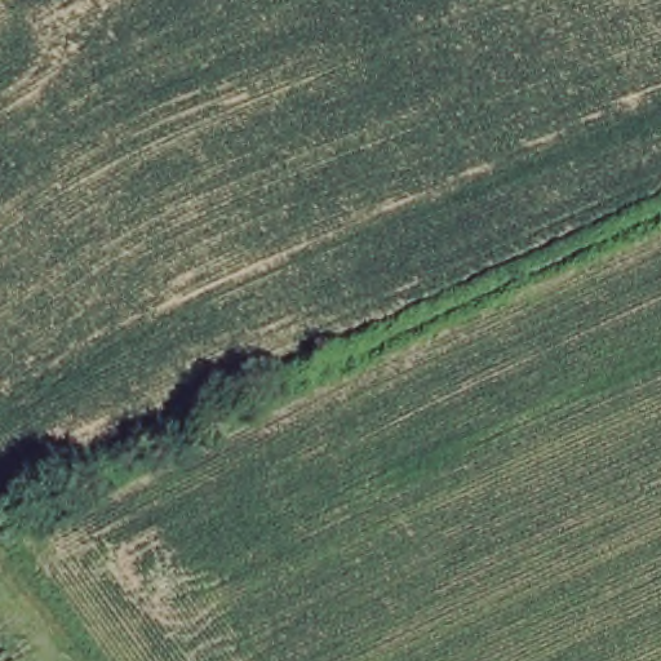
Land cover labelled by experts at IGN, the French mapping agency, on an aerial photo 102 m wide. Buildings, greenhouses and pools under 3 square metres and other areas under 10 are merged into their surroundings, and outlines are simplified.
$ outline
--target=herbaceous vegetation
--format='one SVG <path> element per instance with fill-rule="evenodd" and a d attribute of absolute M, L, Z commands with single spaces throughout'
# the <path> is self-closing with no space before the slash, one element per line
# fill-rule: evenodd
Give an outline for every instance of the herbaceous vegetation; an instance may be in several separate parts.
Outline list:
<path fill-rule="evenodd" d="M 59 584 L 54 578 L 46 578 L 41 568 L 36 568 L 36 558 L 49 547 L 49 537 L 34 540 L 21 534 L 15 542 L 0 542 L 0 635 L 23 633 L 26 638 L 34 638 L 34 643 L 39 646 L 36 661 L 111 661 L 103 653 L 103 648 L 88 635 L 83 617 L 75 612 Z"/>
<path fill-rule="evenodd" d="M 426 343 L 444 331 L 454 331 L 465 323 L 483 318 L 485 312 L 506 307 L 516 300 L 516 289 L 560 274 L 568 266 L 573 269 L 573 274 L 581 274 L 607 258 L 630 250 L 643 240 L 661 238 L 661 196 L 589 232 L 568 232 L 565 238 L 553 238 L 542 248 L 534 248 L 506 263 L 485 266 L 465 281 L 465 289 L 449 292 L 439 302 L 408 310 L 395 320 L 400 325 L 400 333 L 372 346 L 367 351 L 372 361 L 377 361 L 392 349 L 408 346 L 416 338 Z"/>

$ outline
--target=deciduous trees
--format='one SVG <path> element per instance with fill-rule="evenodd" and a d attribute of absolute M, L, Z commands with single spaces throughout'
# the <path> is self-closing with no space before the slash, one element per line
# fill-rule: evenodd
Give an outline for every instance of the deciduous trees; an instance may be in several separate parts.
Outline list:
<path fill-rule="evenodd" d="M 400 325 L 395 320 L 374 320 L 374 328 L 369 328 L 367 333 L 343 341 L 331 341 L 302 361 L 284 364 L 284 356 L 274 354 L 271 361 L 245 361 L 238 374 L 214 372 L 199 390 L 199 398 L 188 411 L 188 418 L 168 421 L 163 434 L 129 436 L 127 442 L 101 449 L 93 460 L 62 460 L 59 454 L 44 457 L 36 465 L 26 465 L 8 483 L 5 493 L 0 493 L 0 542 L 15 542 L 21 534 L 34 540 L 49 537 L 54 532 L 77 532 L 90 514 L 108 506 L 119 491 L 124 491 L 124 485 L 132 478 L 152 473 L 160 465 L 183 462 L 191 454 L 225 449 L 227 439 L 222 434 L 227 434 L 235 423 L 253 423 L 266 413 L 281 408 L 287 400 L 310 398 L 323 387 L 343 382 L 346 374 L 364 374 L 367 369 L 372 369 L 372 361 L 367 351 L 372 346 L 400 333 Z"/>

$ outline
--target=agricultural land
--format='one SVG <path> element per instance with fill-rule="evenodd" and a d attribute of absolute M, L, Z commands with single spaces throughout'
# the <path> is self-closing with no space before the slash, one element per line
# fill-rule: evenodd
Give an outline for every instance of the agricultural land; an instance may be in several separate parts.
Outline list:
<path fill-rule="evenodd" d="M 331 341 L 343 341 L 367 333 L 369 328 L 374 328 L 374 320 L 395 320 L 408 310 L 439 302 L 449 292 L 465 289 L 465 281 L 485 266 L 506 263 L 534 248 L 542 248 L 553 238 L 565 238 L 568 232 L 589 232 L 661 196 L 661 0 L 0 0 L 0 493 L 5 493 L 8 483 L 26 465 L 36 465 L 44 457 L 59 454 L 62 460 L 93 460 L 101 449 L 127 442 L 129 436 L 163 434 L 168 421 L 188 418 L 188 411 L 199 398 L 199 390 L 214 372 L 238 374 L 245 361 L 271 361 L 274 354 L 284 356 L 284 364 L 302 361 Z"/>
<path fill-rule="evenodd" d="M 516 300 L 506 307 L 485 312 L 483 318 L 465 323 L 454 331 L 444 331 L 426 343 L 416 338 L 408 346 L 392 349 L 377 361 L 372 361 L 372 369 L 367 369 L 364 374 L 346 374 L 343 382 L 323 387 L 310 398 L 287 400 L 281 408 L 266 413 L 253 423 L 235 423 L 227 434 L 222 434 L 227 439 L 225 449 L 191 454 L 183 462 L 160 465 L 152 473 L 132 478 L 124 485 L 124 491 L 119 491 L 108 506 L 90 514 L 77 532 L 54 532 L 49 537 L 49 547 L 36 558 L 36 568 L 41 568 L 46 578 L 54 578 L 59 584 L 75 612 L 83 617 L 88 635 L 103 648 L 103 653 L 111 661 L 661 661 L 661 238 L 643 240 L 630 250 L 607 258 L 581 274 L 573 274 L 573 269 L 568 266 L 560 274 L 516 289 Z"/>

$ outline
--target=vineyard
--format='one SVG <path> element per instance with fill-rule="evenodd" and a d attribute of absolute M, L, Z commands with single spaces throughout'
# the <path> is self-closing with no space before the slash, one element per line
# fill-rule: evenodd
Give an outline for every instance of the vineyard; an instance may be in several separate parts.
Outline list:
<path fill-rule="evenodd" d="M 23 633 L 0 635 L 0 661 L 36 661 L 39 646 L 34 643 L 34 638 L 26 638 Z"/>

